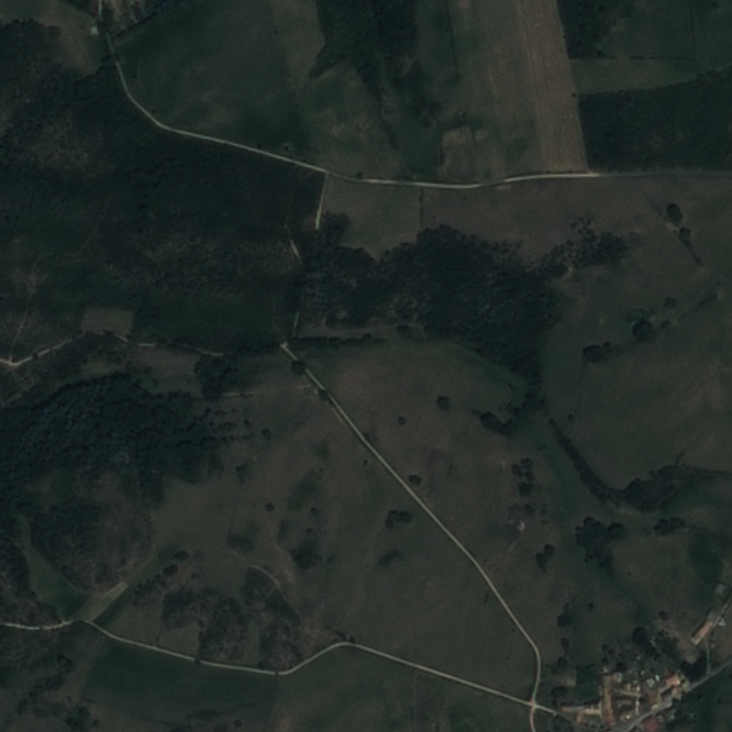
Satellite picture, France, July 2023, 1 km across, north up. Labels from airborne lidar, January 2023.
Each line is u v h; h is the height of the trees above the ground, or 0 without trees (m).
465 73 0
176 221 11
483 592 0
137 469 21
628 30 0
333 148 0
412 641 0
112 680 0
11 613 7
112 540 0
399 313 13
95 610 0
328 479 0
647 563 0
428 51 0
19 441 17
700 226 0
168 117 0
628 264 0
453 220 0
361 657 0
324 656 0
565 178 0
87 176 0
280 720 0
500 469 0
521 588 0
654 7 0
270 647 0
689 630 0
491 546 0
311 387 0
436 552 0
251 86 0
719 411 0
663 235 0
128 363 8
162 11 18
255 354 19
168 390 0
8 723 0
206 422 9
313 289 15
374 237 0
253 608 0
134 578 0
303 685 0
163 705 0
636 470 0
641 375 0
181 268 8
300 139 0
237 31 0
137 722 0
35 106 12
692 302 0
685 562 0
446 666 0
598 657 0
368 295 17
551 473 0
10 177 15
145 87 0
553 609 0
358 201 0
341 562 0
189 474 7
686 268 0
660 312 9
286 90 0
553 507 0
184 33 0
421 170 0
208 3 0
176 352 12
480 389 0
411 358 0
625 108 11
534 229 0
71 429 21
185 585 0
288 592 0
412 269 11
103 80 15
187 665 0
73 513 7
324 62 13
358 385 0
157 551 0
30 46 12
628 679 0
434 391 0
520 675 0
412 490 0
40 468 17
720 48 0
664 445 0
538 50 0
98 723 7
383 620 0
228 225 8
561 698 9
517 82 0
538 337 21
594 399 0
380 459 0
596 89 0
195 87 0
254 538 0
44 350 0
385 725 0
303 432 0
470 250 16
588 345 0
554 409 0
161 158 8
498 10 0
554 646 0
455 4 0
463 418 0
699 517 0
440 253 15
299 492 0
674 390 0
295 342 12
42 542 12
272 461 0
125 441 19
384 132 0
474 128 0
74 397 17
